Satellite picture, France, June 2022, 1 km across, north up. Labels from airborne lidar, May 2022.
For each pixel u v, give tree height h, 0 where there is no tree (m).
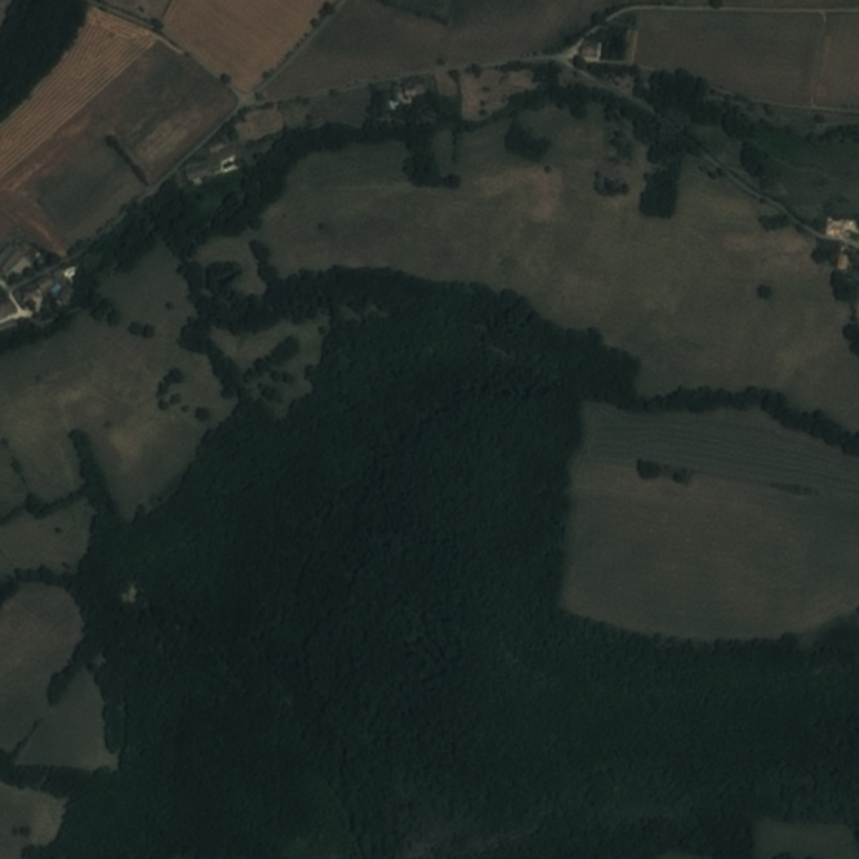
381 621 26
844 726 20
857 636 0
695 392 12
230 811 9
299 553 13
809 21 0
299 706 13
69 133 0
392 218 0
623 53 8
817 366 0
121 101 0
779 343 0
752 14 0
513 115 11
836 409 0
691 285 0
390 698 10
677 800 8
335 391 17
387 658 20
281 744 11
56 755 0
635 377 17
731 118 15
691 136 14
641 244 0
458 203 0
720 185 0
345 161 0
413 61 0
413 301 20
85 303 12
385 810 13
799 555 0
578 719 14
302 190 0
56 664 0
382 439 23
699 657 12
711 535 0
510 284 0
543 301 0
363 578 19
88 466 11
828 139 13
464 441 20
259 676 17
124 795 15
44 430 0
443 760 20
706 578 0
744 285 0
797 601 0
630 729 14
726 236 0
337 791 8
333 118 0
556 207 0
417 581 25
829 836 0
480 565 14
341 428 19
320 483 13
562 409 19
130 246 22
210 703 10
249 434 10
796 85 0
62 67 0
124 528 12
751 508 0
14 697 0
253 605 16
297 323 20
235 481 15
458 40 0
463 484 11
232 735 14
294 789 11
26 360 0
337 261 0
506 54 0
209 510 15
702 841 19
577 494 0
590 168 0
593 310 0
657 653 10
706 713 15
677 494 0
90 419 0
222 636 18
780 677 12
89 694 0
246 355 0
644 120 11
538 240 0
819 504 0
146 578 16
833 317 0
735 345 0
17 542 0
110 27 0
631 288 0
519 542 21
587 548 0
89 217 0
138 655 22
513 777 16
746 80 0
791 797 13
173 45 6
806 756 18
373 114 11
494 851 8
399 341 14
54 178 0
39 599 0
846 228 0
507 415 16
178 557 13
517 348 16
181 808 12
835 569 0
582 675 11
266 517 13
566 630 8
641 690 9
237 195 6
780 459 0
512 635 14
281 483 12
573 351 16
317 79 0
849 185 0
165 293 0
